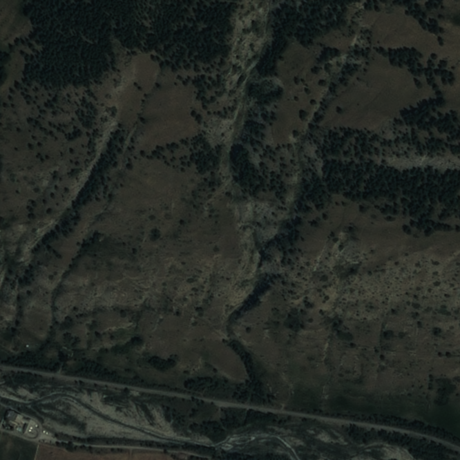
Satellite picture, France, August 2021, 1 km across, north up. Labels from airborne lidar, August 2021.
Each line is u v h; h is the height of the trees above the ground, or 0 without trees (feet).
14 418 0
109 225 0
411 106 0
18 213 0
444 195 84
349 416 24
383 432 45
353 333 0
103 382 0
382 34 0
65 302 0
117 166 38
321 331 0
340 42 0
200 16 66
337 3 61
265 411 0
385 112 0
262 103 29
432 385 25
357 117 0
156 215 0
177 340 0
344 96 0
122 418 0
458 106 0
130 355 0
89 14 75
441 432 46
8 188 0
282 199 40
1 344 0
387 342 0
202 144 42
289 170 0
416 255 0
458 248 0
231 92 47
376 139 28
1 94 0
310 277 0
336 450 0
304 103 0
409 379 0
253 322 0
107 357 0
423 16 47
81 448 29
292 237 56
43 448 0
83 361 23
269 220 0
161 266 0
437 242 0
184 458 0
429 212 36
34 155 0
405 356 0
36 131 0
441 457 43
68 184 0
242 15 0
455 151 66
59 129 44
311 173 43
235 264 0
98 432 0
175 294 0
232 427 33
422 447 29
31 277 25
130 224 0
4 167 0
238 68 28
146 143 0
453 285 0
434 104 61
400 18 0
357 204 0
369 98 0
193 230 0
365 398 0
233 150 0
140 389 0
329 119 0
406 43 0
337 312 0
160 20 65
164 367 43
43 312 0
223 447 0
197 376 0
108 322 0
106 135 0
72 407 0
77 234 0
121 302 0
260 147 31
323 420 0
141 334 0
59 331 0
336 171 62
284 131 0
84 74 47
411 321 0
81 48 66
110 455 0
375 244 0
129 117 0
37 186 0
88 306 0
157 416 0
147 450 0
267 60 62
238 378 0
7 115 0
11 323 0
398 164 0
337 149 75
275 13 0
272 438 0
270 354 0
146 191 0
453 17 0
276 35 47
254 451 0
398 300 0
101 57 73
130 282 0
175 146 49
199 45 72
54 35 68
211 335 0
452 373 0
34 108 0
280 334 0
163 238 0
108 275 0
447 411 0
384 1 66
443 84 33
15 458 0
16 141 0
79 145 0
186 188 0
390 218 33
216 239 0
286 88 0
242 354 27
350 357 0
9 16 0
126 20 65
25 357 30
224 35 54
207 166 62
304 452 0
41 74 46
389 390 0
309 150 0
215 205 0
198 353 0
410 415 0
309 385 0
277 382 0
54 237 45
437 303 0
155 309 0
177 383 0
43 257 0
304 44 78
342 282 0
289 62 0
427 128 58
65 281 0
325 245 0
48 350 0
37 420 0
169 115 0
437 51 0
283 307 0
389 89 0
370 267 0
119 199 0
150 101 0
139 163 0
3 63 77
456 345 0
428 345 0
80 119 42
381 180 68
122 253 0
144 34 71
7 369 0
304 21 66
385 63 0
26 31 0
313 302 0
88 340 0
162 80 0
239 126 0
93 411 0
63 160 0
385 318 0
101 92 0
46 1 58
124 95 0
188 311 0
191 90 0
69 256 0
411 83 0
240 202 0
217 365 0
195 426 43
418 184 55
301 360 0
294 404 0
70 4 65
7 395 0
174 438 0
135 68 0
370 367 0
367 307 0
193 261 0
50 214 61
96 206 0
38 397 0
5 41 0
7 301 0
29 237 0
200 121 38
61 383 0
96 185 44
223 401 0
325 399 0
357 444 0
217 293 0
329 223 0
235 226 0
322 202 40
